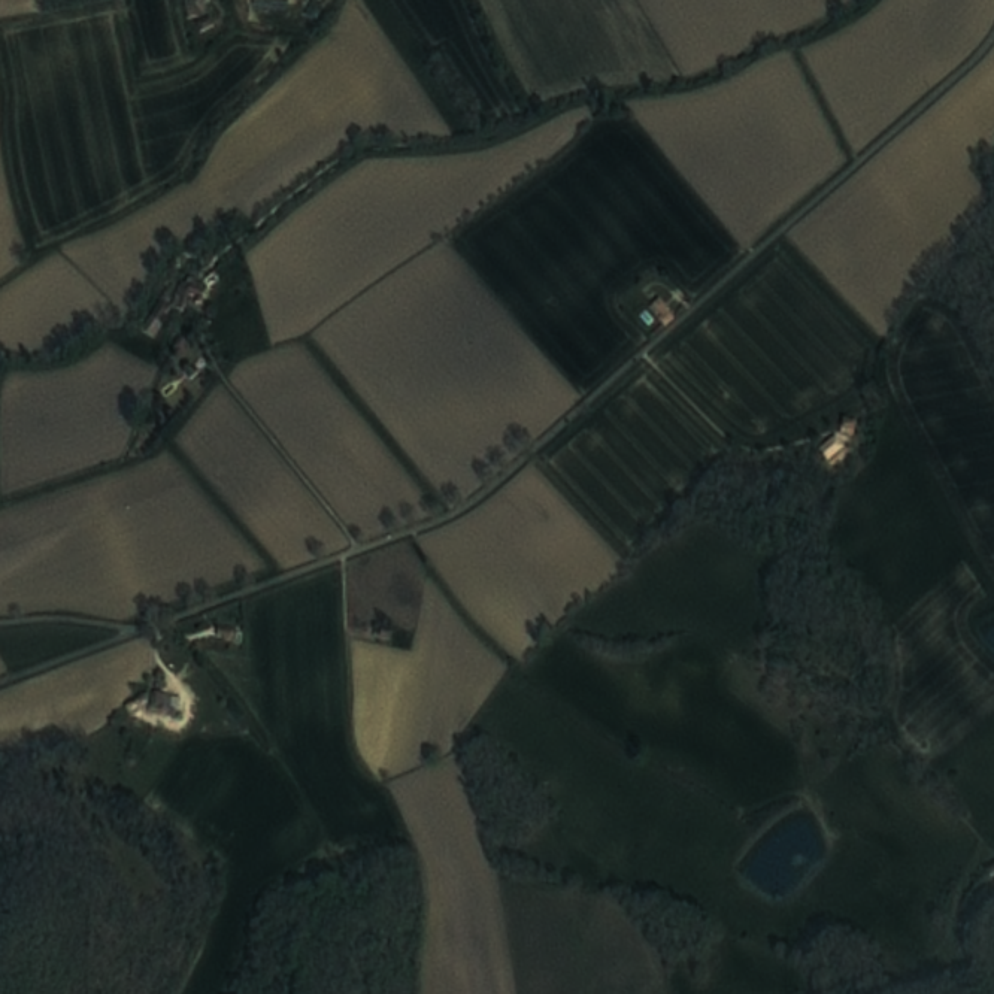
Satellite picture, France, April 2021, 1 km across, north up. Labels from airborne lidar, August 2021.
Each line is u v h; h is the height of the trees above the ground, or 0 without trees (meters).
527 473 0
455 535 0
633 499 0
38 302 0
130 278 0
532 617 0
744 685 0
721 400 0
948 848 0
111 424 0
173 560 0
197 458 0
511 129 7
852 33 0
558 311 0
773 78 0
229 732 0
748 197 0
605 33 0
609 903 0
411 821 0
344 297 0
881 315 0
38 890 14
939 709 0
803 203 0
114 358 0
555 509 0
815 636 13
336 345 0
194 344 12
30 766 19
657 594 0
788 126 0
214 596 22
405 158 0
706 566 0
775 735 0
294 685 0
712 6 0
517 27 0
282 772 0
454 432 0
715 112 0
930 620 0
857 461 14
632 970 0
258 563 0
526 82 0
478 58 0
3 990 11
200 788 0
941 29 0
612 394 0
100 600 0
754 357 0
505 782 21
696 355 0
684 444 0
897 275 0
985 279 21
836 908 0
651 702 0
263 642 0
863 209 0
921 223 0
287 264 0
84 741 15
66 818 21
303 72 0
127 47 0
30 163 0
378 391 0
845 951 28
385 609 0
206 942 0
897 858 0
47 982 13
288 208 11
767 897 0
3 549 0
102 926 7
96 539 0
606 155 0
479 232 0
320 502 0
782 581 21
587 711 0
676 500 14
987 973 18
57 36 0
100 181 0
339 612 0
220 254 15
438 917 0
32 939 13
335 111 0
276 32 0
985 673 0
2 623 0
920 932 0
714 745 0
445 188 0
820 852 0
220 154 0
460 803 0
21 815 24
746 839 0
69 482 0
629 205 0
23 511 0
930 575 0
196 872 16
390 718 0
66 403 0
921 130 0
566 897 0
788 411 0
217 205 0
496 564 0
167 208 0
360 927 28
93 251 0
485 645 0
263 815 0
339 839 0
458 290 0
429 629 0
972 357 0
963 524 0
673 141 0
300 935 27
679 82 13
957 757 0
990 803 0
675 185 0
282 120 0
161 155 0
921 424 0
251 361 0
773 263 0
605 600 0
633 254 0
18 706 0
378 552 0
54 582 0
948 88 0
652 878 0
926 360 0
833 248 0
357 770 0
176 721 0
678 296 0
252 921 16
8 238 0
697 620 0
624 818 0
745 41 0
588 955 0
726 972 0
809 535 20
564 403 0
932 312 0
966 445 0
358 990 19
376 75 0
